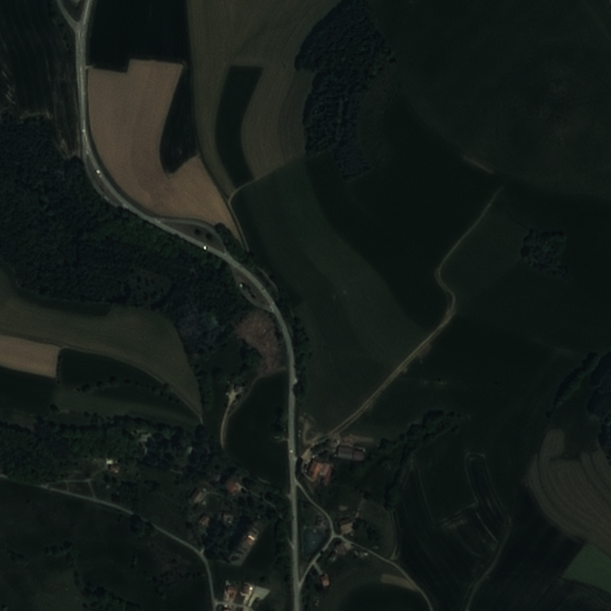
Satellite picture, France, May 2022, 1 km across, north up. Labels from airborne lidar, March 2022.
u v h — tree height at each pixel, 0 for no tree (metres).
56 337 0
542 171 0
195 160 0
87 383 0
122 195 0
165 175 0
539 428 0
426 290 0
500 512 0
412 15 0
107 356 0
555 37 0
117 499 15
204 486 0
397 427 0
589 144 0
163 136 0
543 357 0
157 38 0
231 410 0
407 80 0
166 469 18
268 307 0
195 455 21
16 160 13
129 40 0
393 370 0
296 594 0
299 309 0
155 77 0
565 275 12
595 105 0
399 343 0
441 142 0
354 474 14
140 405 0
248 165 0
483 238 0
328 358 0
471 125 0
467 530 0
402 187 0
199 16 0
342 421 0
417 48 0
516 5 0
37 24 0
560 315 0
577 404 0
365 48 16
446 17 0
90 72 0
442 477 0
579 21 0
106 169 0
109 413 0
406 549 0
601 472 0
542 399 0
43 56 0
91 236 20
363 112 0
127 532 0
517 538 0
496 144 0
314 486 0
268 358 0
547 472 0
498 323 0
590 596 0
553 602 0
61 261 10
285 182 0
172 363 0
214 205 0
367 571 0
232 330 6
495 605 0
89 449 16
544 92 0
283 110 0
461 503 0
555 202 0
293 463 0
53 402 0
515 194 0
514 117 0
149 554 0
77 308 0
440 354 0
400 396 0
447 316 0
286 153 0
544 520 0
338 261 0
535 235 10
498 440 0
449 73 0
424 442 10
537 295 0
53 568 0
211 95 0
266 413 0
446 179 0
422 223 0
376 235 0
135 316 0
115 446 26
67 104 0
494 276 0
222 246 0
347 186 0
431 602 0
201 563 0
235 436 0
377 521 0
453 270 0
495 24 0
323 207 0
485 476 0
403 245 0
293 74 0
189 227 0
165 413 0
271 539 0
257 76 0
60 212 8
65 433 19
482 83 0
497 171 0
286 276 0
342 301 0
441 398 0
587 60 0
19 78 0
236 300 19
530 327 0
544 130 0
